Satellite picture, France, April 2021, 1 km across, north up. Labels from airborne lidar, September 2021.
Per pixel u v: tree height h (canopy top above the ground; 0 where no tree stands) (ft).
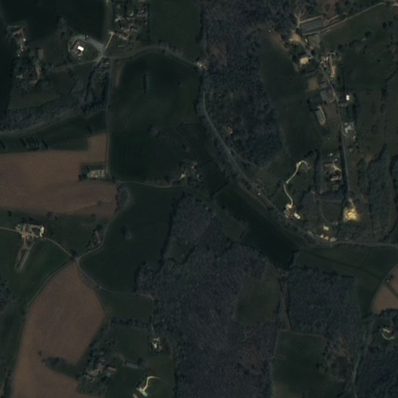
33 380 0
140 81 0
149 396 0
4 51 0
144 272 44
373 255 0
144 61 0
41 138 0
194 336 63
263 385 74
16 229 0
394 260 0
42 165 0
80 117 0
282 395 0
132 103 0
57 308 0
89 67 0
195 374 53
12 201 0
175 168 0
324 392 0
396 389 75
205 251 26
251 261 60
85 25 0
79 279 0
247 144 72
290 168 0
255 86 88
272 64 0
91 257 0
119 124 0
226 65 75
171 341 81
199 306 55
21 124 53
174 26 0
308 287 50
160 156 0
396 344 0
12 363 0
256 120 0
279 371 0
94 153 0
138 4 0
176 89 0
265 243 0
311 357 0
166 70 0
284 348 0
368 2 0
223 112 50
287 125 0
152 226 0
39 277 0
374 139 0
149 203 0
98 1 0
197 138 0
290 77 0
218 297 74
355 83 0
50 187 0
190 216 68
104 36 0
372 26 0
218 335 57
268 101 67
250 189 59
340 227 40
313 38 0
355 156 0
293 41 0
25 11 0
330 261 0
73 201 0
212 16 88
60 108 52
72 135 0
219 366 19
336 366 78
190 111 0
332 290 77
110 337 0
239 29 82
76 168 0
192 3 0
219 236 34
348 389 55
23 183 0
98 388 21
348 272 0
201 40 65
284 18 76
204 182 34
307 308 56
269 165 51
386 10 0
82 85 67
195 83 0
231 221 0
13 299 40
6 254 0
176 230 67
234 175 39
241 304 0
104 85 27
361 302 0
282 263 0
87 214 0
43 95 0
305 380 0
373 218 50
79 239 0
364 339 69
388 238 43
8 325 0
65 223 0
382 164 78
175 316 75
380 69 0
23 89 45
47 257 0
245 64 74
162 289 55
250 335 18
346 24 0
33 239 39
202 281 54
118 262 0
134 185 0
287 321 0
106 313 0
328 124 0
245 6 73
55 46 0
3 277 0
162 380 0
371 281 0
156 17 0
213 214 68
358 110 53
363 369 42
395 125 0
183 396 55
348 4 46
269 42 0
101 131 0
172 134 0
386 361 53
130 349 0
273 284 0
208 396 63
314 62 38
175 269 50
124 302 0
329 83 21
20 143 0
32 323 0
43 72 42
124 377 0
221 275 55
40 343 0
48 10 0
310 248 0
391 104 0
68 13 0
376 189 70
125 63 0
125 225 0
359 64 0
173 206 0
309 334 33
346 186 52
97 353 52
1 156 0
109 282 0
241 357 28
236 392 63
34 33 0
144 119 0
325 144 0
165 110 0
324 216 0
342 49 52
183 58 0
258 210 0
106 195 0
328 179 21
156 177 0
